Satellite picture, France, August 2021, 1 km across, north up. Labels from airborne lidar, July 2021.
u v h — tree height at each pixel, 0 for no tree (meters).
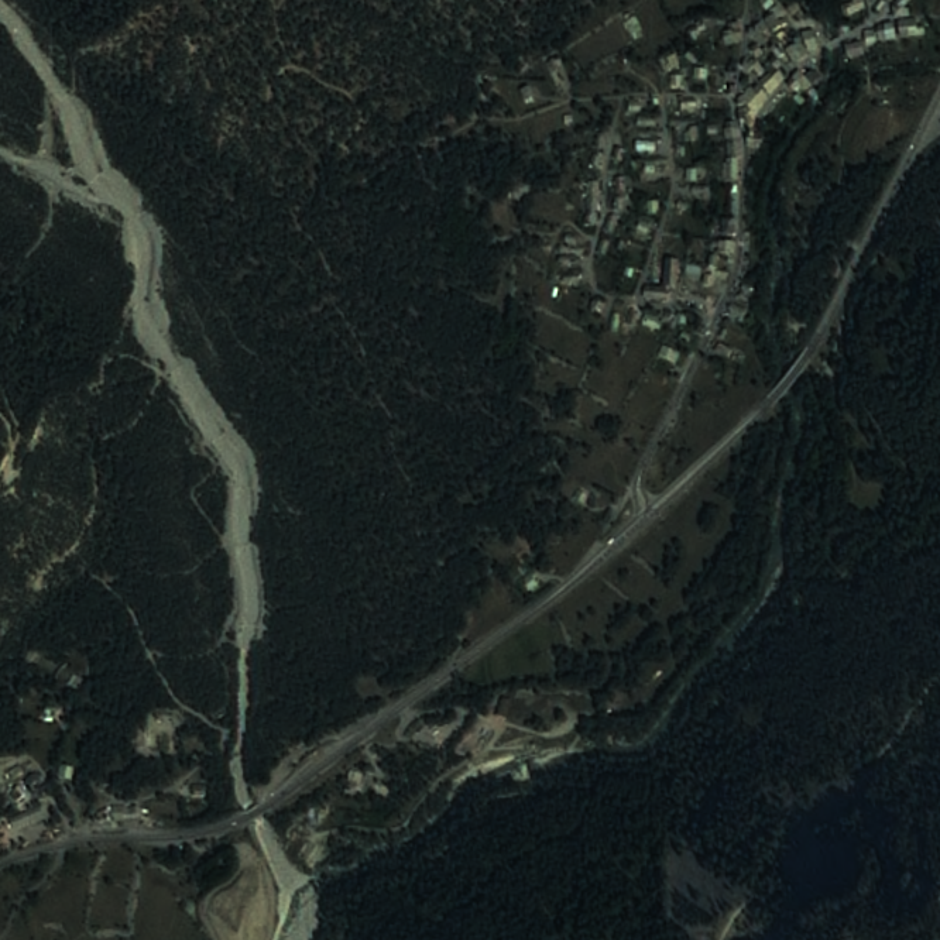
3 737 18
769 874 8
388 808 17
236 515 0
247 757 10
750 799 12
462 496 11
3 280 11
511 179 16
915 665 7
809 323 8
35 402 8
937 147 0
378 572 7
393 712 0
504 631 0
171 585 6
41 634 8
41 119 8
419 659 15
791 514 18
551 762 0
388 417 6
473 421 9
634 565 0
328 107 10
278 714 12
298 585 8
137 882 0
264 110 7
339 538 9
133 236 0
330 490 9
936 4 0
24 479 7
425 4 9
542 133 0
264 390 10
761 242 8
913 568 11
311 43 13
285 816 15
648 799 19
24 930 0
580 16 7
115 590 12
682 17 6
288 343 8
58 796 12
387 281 15
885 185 11
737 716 12
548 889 6
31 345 9
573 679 17
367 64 10
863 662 10
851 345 18
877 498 0
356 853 12
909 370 19
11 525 6
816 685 9
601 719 13
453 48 16
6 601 6
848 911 9
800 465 23
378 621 10
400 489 10
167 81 7
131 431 6
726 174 0
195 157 13
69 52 10
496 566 9
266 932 0
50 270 7
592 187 0
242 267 10
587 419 0
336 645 8
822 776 7
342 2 12
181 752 12
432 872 10
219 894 0
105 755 14
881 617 12
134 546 7
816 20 13
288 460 8
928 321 24
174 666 7
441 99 10
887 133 0
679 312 8
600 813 15
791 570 15
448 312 13
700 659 16
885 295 22
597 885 8
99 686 16
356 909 8
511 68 12
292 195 14
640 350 0
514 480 14
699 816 16
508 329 14
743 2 0
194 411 0
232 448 0
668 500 0
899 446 21
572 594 0
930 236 23
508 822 7
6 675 11
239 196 12
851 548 24
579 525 13
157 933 0
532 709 0
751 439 9
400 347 13
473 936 10
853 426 13
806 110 12
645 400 0
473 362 17
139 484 8
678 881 0
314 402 8
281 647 11
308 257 10
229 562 7
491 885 10
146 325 0
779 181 9
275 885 0
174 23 10
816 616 9
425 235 12
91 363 8
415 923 6
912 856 8
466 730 8
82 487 9
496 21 14
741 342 0
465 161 14
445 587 12
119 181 0
